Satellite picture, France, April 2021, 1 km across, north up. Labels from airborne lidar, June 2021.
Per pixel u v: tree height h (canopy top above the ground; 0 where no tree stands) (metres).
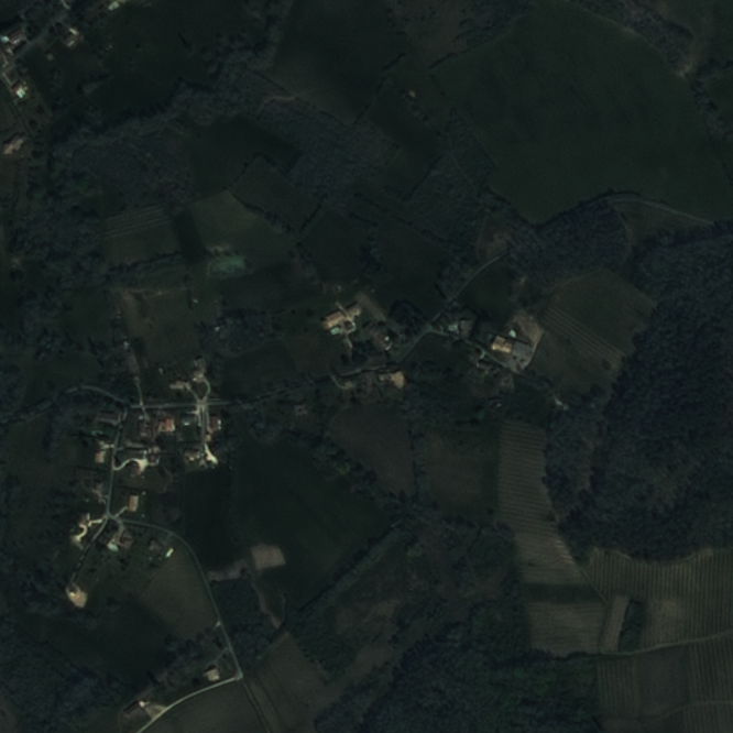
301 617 6
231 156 0
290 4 17
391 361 10
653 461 18
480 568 6
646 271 16
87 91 16
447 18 0
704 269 25
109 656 0
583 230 20
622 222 18
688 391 19
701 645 0
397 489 0
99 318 0
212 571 0
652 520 21
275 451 0
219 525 0
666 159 0
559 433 18
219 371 18
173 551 0
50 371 0
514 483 0
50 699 13
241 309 0
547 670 27
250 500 0
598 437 14
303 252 5
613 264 21
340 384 10
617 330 0
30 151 0
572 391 0
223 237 0
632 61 0
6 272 0
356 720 17
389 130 0
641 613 9
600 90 0
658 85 0
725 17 0
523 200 0
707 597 0
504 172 0
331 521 0
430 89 0
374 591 0
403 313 15
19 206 9
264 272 0
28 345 14
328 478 0
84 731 8
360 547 0
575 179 0
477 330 8
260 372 0
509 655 11
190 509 0
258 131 0
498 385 0
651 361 23
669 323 23
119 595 0
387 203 0
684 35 20
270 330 16
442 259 0
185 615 0
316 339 0
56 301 18
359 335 9
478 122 0
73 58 0
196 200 9
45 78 0
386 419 0
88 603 0
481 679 26
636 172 0
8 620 7
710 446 22
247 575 11
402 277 0
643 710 0
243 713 0
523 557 0
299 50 0
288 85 0
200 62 0
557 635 0
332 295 0
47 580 16
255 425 8
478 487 0
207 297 0
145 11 0
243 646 15
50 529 0
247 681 0
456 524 16
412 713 22
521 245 21
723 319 20
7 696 14
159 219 5
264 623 9
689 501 6
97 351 13
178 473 6
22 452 0
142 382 0
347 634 0
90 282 14
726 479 20
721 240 24
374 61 0
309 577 0
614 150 0
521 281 17
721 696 0
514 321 0
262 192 0
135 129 22
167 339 0
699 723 0
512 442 0
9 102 7
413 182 0
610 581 0
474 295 0
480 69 0
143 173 12
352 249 0
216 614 0
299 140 7
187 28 0
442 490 0
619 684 0
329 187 10
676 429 23
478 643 16
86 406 19
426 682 23
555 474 16
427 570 6
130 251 0
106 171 7
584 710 12
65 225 22
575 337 0
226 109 21
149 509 0
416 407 18
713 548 19
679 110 0
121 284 17
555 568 0
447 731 19
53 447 19
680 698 0
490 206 12
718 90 0
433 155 0
